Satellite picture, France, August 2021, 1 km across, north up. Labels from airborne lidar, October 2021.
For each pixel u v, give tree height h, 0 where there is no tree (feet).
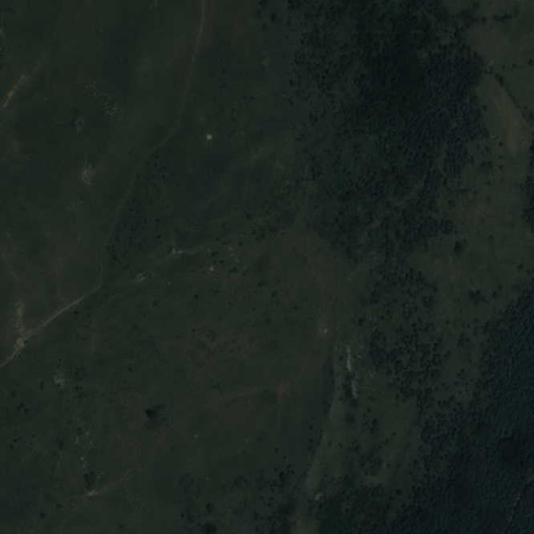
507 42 0
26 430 0
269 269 0
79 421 0
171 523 0
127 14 0
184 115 0
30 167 0
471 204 0
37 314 0
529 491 64
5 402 0
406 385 27
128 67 0
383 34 24
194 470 0
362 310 0
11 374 0
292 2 50
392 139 29
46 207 0
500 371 37
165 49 0
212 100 0
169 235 0
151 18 0
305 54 20
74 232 0
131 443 0
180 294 0
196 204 0
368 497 28
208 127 0
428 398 34
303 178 20
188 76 0
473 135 28
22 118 0
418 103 26
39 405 0
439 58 33
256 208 0
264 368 0
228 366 0
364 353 0
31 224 0
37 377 0
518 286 18
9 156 0
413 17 18
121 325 0
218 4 0
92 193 0
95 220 0
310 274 0
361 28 34
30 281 0
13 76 0
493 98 0
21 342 0
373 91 22
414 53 69
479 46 0
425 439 22
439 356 32
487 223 0
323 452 0
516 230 0
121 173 0
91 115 0
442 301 0
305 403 0
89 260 0
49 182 0
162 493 0
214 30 0
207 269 0
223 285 0
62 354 0
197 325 0
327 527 20
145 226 0
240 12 0
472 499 60
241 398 0
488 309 0
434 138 41
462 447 20
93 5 0
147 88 0
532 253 0
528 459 67
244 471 0
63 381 0
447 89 32
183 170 0
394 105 34
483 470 32
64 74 0
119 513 0
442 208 0
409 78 60
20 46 0
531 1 0
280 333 0
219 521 0
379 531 38
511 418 31
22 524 0
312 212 0
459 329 0
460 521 54
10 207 0
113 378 0
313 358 0
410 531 72
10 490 0
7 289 0
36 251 0
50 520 0
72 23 0
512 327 33
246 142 0
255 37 0
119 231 0
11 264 0
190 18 0
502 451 71
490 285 0
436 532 44
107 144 0
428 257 0
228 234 0
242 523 0
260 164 0
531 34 0
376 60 24
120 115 0
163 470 0
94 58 0
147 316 0
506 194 0
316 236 0
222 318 0
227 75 0
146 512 0
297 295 0
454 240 0
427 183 37
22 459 0
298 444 0
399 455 0
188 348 0
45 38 0
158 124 0
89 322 0
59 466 0
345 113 18
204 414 0
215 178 0
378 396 0
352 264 0
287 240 0
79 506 0
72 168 0
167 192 0
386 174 30
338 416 0
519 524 60
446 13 23
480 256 0
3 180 0
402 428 0
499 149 0
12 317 0
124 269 0
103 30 0
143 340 0
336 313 0
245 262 0
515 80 0
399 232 41
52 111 0
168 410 0
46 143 0
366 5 36
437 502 49
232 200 0
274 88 0
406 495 0
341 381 0
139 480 0
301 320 0
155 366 0
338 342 0
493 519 70
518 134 0
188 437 0
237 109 0
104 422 0
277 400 0
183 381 0
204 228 0
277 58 0
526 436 67
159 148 0
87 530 0
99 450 0
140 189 0
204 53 0
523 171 0
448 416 31
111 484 0
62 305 0
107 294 0
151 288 0
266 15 0
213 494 0
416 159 32
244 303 0
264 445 0
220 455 0
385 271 24
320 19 36
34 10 0
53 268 0
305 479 0
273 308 0
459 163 26
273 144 0
